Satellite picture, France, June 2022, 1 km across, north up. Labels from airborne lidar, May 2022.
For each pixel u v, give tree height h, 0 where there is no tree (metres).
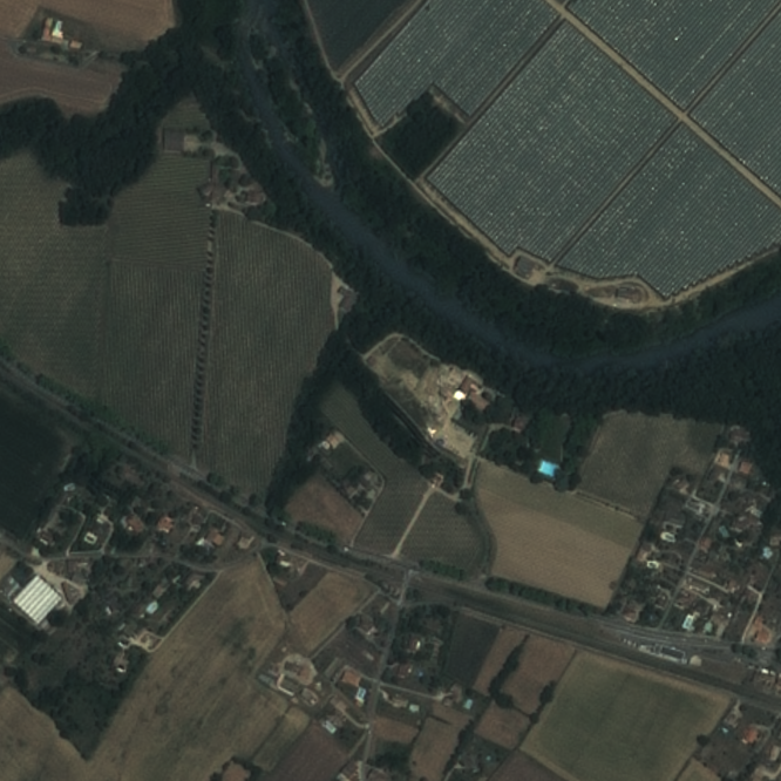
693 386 18
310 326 0
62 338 0
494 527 0
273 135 0
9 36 0
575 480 13
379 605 0
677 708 0
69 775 0
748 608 7
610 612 12
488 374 13
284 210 21
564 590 0
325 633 0
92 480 17
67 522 10
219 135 13
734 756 0
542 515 0
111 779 0
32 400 14
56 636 0
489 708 0
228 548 0
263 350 0
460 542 0
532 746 0
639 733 0
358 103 0
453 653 0
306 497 0
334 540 18
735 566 6
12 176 0
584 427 20
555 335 14
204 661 0
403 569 0
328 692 0
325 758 0
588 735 0
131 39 0
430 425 0
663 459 0
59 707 12
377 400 13
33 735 0
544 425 20
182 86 23
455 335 18
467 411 12
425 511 0
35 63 0
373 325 25
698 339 0
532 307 18
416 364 0
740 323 0
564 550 0
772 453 26
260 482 0
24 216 0
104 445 11
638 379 21
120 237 0
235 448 0
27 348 0
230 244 0
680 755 0
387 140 7
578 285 0
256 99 0
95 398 0
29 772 0
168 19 0
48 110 17
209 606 0
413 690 0
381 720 0
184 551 10
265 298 0
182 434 0
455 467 10
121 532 10
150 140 15
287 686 0
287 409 0
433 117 18
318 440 11
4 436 0
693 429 0
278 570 12
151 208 0
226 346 0
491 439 10
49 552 10
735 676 0
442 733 0
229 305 0
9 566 0
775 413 12
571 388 17
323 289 0
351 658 0
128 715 0
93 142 26
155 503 9
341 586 0
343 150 12
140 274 0
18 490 0
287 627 0
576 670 0
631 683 0
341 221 0
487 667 0
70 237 0
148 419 0
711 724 0
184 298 0
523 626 0
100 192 12
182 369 0
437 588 0
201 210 0
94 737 0
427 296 0
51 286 0
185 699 0
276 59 10
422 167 12
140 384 0
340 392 0
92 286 0
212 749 0
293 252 0
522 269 0
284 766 0
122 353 0
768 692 0
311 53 14
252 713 0
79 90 0
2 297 0
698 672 0
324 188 0
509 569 0
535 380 16
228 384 0
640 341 11
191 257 0
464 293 23
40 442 0
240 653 0
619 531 0
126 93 23
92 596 9
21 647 0
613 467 0
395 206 15
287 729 0
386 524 0
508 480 0
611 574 0
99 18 0
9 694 0
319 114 19
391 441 21
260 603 0
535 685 0
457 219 0
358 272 19
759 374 17
